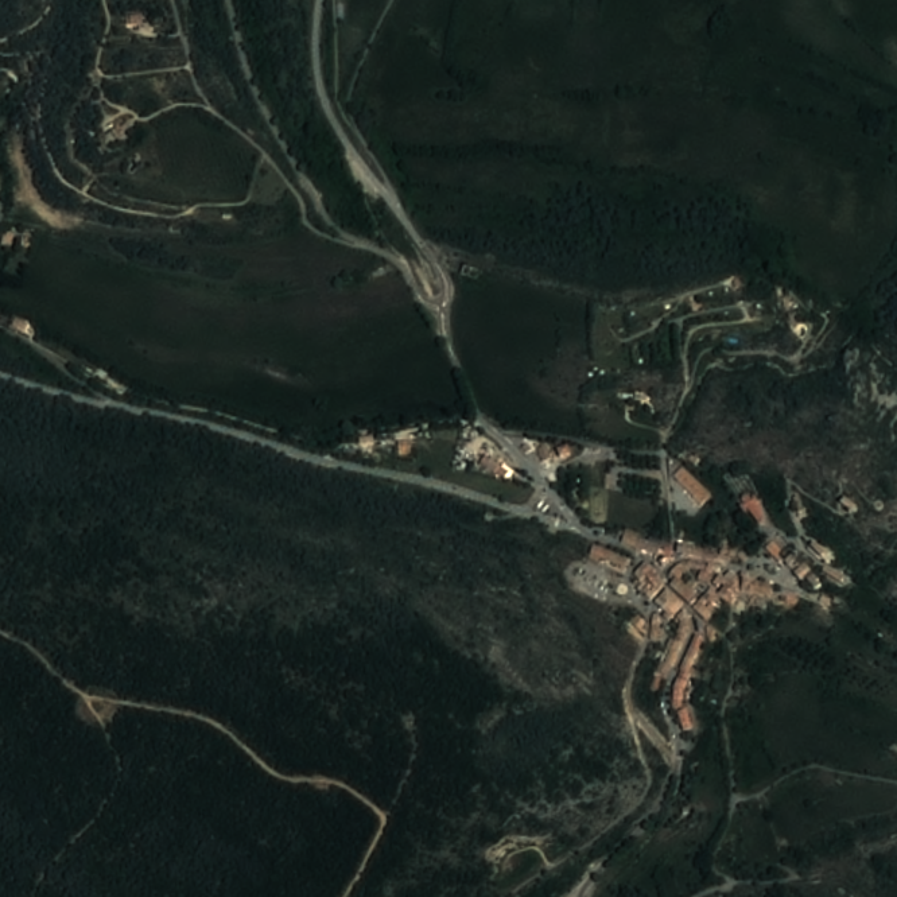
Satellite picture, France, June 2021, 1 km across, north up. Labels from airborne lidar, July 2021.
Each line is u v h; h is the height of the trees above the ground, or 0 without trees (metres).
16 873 12
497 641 0
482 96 0
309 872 6
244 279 0
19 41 8
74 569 7
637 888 8
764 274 10
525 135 0
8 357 8
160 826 6
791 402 7
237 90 6
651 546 0
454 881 8
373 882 6
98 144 7
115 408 10
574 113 0
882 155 0
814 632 0
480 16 0
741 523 20
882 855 8
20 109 11
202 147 0
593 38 0
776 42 0
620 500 0
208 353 0
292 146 8
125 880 7
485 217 6
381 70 0
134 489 8
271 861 7
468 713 5
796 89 0
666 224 8
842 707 0
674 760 0
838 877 0
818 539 5
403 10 0
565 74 0
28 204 0
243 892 6
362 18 0
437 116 0
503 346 0
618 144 0
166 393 11
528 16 0
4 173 11
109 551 6
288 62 12
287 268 0
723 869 0
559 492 6
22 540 6
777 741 0
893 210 0
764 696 0
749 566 7
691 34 0
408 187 12
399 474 0
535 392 0
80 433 10
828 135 0
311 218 6
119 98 7
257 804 6
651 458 11
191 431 7
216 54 9
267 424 10
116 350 0
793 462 0
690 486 0
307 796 9
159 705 7
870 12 0
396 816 7
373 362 0
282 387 0
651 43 0
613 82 0
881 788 0
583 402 10
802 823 0
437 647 9
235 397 0
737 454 0
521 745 6
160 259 8
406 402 0
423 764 6
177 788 6
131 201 0
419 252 0
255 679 6
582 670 0
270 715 6
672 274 6
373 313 0
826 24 0
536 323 0
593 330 8
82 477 9
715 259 6
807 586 8
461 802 7
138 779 8
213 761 8
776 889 9
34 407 11
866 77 6
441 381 0
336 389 0
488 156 6
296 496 8
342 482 8
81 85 6
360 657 7
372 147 7
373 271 0
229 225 0
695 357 8
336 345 0
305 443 12
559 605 0
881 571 12
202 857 11
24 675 7
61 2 7
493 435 0
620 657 0
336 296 0
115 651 5
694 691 6
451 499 8
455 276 6
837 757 0
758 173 0
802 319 8
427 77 0
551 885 8
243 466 7
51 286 0
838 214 0
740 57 0
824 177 0
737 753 6
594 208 13
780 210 0
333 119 0
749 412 8
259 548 6
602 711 0
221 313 0
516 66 0
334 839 7
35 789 5
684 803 7
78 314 0
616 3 0
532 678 0
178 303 0
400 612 10
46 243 0
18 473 6
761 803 0
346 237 0
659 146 0
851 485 0
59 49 10
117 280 0
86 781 6
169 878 7
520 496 0
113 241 8
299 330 0
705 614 0
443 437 0
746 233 10
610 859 11
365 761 7
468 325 0
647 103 0
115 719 8
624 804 0
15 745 5
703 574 0
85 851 8
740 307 0
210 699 8
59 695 8
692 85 0
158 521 9
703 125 0
